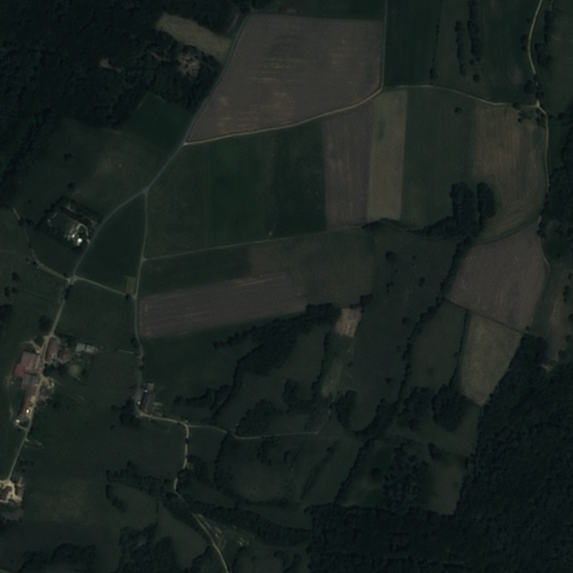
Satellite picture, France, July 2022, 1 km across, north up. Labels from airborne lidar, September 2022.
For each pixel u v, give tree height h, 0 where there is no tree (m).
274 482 0
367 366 0
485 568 21
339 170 0
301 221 0
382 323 0
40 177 0
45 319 7
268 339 13
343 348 0
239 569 12
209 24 25
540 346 18
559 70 0
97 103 31
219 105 0
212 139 0
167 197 0
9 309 21
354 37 0
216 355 0
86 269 0
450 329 0
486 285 0
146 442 0
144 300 0
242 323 0
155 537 17
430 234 15
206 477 8
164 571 6
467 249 7
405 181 0
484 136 0
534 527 28
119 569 7
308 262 0
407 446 8
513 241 0
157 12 30
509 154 0
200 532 8
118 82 26
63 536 0
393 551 26
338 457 0
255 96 0
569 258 0
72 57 29
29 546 0
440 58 0
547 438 19
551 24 18
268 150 0
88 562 11
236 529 0
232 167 0
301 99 0
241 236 0
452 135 0
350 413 13
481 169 0
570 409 30
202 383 0
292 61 0
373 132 0
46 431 0
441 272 0
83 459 0
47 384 0
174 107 0
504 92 0
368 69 0
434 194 0
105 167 0
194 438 0
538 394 25
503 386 14
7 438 0
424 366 0
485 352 0
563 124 8
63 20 33
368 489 0
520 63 0
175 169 0
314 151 0
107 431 0
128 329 0
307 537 10
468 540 26
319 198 0
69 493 0
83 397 0
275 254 0
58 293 0
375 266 0
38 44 27
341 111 0
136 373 0
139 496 0
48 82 35
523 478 20
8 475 0
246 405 0
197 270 0
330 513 15
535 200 0
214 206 0
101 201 0
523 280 0
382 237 0
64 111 32
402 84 0
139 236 0
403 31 0
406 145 0
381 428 17
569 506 22
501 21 0
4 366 0
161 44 22
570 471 20
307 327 13
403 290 0
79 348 0
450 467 0
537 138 0
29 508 0
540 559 18
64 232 8
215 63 20
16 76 29
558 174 21
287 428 0
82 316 0
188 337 0
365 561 25
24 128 0
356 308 6
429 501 0
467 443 0
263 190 0
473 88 0
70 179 0
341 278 0
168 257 0
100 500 0
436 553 28
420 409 26
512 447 13
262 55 0
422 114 0
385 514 26
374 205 0
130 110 14
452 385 11
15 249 0
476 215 7
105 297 0
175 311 0
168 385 0
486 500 25
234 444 15
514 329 0
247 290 0
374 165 0
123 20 33
